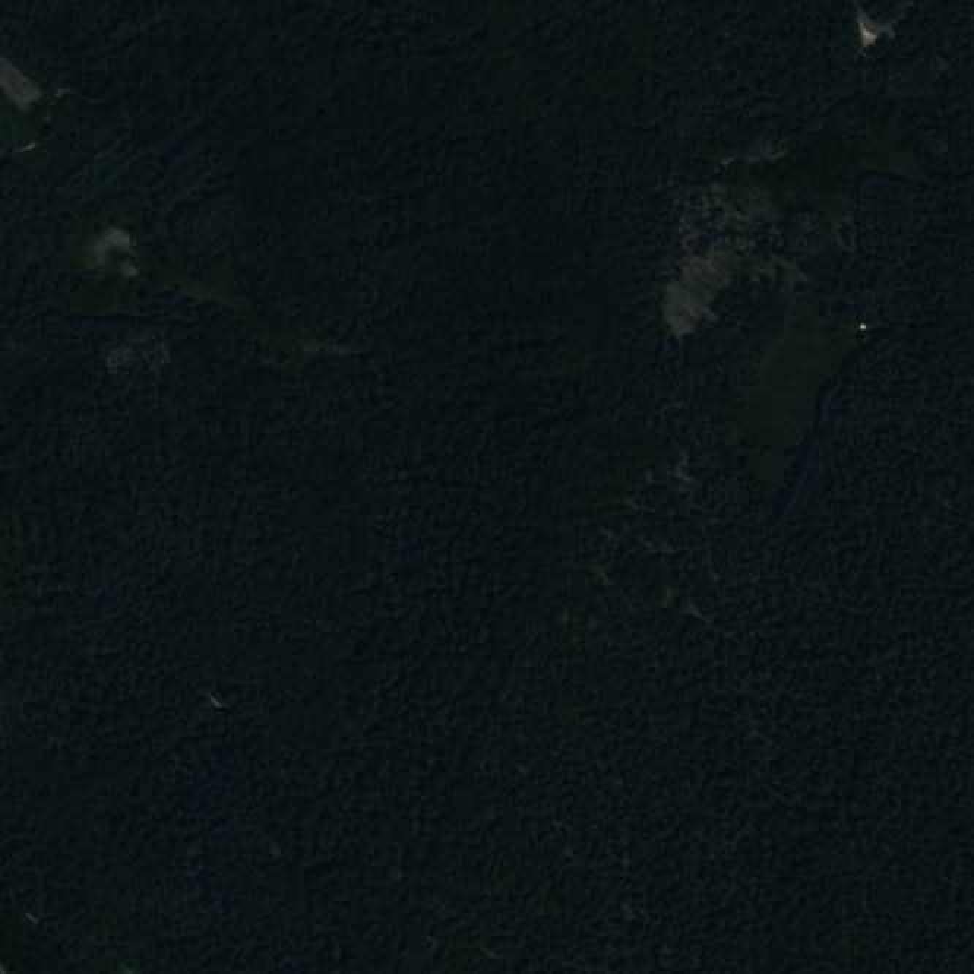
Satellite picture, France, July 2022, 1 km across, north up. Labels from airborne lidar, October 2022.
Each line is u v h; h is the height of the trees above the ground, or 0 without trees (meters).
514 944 14
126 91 7
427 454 11
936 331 25
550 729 15
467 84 23
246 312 0
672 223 20
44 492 17
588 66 16
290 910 29
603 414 23
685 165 12
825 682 26
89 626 28
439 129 29
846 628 26
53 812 20
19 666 30
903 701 8
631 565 19
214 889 41
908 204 18
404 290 32
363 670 36
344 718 31
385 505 26
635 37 16
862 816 12
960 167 26
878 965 13
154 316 10
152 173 7
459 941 22
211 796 35
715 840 15
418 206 22
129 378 26
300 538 23
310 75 30
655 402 12
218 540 13
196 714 37
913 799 16
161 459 21
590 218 21
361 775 7
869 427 29
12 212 15
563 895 13
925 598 10
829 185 8
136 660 29
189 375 19
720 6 29
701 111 23
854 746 12
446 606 21
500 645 26
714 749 29
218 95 32
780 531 31
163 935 18
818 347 0
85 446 34
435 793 28
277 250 27
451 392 12
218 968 18
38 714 32
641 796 18
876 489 9
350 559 22
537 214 33
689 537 18
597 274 18
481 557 24
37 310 19
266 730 24
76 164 9
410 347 21
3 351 26
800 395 0
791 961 15
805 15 19
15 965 19
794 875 22
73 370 9
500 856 16
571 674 12
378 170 21
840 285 24
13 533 10
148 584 17
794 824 21
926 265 23
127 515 21
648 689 18
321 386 8
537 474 24
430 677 25
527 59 16
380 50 37
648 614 16
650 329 14
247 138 32
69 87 10
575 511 12
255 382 9
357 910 28
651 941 25
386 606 9
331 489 27
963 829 13
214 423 22
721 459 7
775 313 18
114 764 37
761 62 17
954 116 19
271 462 24
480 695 23
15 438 19
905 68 28
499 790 20
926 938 11
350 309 23
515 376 18
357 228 27
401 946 20
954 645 19
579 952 16
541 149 31
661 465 18
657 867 17
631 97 11
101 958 21
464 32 30
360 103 33
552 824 11
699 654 10
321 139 26
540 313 29
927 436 20
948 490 26
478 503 17
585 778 28
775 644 25
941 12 22
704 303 0
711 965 24
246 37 26
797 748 14
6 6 15
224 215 26
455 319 24
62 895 28
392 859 19
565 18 17
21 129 0
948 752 29
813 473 29
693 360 30
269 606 35
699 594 15
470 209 27
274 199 26
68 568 31
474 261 24
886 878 18
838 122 19
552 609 12
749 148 23
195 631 38
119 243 0
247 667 37
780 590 28
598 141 18
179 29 23
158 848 32
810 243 29
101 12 26
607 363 12
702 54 17
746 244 30
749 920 26
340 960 15
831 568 22
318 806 34
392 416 26
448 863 13
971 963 17
